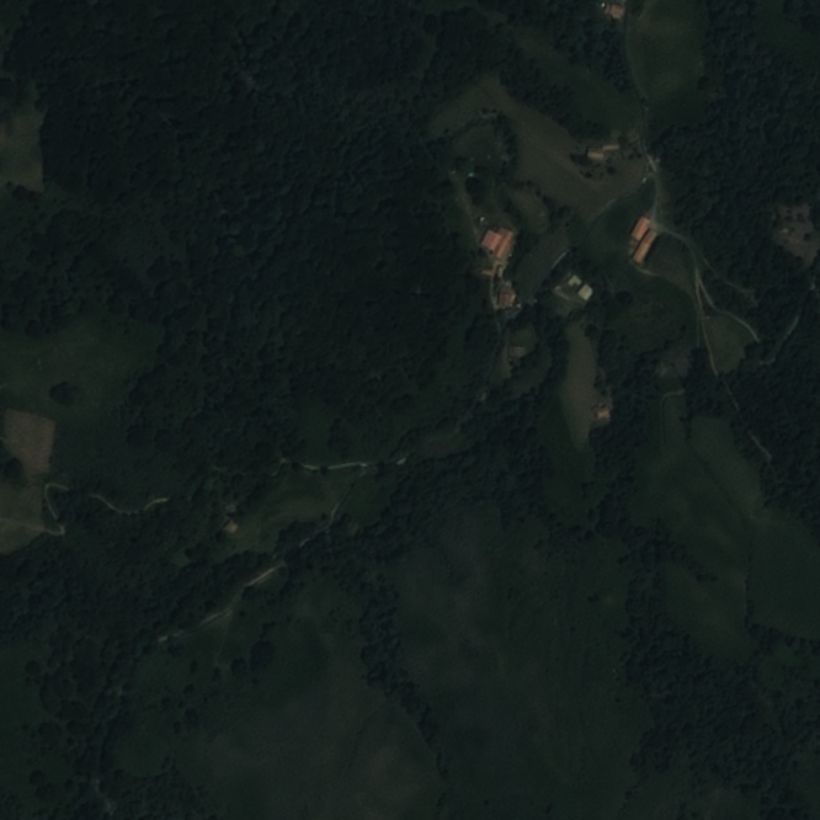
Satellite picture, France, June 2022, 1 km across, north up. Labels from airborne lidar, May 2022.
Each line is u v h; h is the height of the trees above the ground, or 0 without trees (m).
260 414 23
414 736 0
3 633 17
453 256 28
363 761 0
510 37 13
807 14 12
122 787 12
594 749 0
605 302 7
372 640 19
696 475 0
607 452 16
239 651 0
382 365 20
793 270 21
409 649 0
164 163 26
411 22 21
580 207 0
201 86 39
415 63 18
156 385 17
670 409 0
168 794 11
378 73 27
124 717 20
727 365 0
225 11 27
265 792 0
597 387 6
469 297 9
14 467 16
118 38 32
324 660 0
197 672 15
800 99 14
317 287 22
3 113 13
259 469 22
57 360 0
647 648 12
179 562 0
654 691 16
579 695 0
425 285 30
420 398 6
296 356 26
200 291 13
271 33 31
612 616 0
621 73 19
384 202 7
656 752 11
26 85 24
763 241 17
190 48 38
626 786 0
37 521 0
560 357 13
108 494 9
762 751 7
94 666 18
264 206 25
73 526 11
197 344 24
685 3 0
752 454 9
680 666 32
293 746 0
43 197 7
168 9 26
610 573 0
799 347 7
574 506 0
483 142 0
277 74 31
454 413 7
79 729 15
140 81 22
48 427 0
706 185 12
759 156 9
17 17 0
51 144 21
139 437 24
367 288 23
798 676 6
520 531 0
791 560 0
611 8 0
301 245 27
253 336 19
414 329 23
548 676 0
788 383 15
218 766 0
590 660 0
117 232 9
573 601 0
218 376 10
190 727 10
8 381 0
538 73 6
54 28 30
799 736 8
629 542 13
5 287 18
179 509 18
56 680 24
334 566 12
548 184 0
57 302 17
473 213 0
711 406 15
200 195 22
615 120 0
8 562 16
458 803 0
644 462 0
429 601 0
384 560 14
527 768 0
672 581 0
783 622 0
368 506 0
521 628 0
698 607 0
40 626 16
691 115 0
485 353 6
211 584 17
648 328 0
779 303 13
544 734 0
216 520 11
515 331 8
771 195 9
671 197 0
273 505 0
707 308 9
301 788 0
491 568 0
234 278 26
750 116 22
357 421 15
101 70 36
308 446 14
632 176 0
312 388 16
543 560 0
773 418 8
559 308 0
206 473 21
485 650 0
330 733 0
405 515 16
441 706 0
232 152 28
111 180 26
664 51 0
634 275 0
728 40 25
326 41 23
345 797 0
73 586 26
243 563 16
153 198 7
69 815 6
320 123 26
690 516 0
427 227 27
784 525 0
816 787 0
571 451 0
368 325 22
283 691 0
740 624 0
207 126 31
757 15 20
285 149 28
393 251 17
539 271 0
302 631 0
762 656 7
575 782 0
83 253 11
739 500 0
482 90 0
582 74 0
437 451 0
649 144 7
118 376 0
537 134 0
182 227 14
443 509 6
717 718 15
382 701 0
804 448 22
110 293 8
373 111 23
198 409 12
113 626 16
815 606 0
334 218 28
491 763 0
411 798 0
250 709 0
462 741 0
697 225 8
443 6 0
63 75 31
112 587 10
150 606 13
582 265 13
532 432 16
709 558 0
